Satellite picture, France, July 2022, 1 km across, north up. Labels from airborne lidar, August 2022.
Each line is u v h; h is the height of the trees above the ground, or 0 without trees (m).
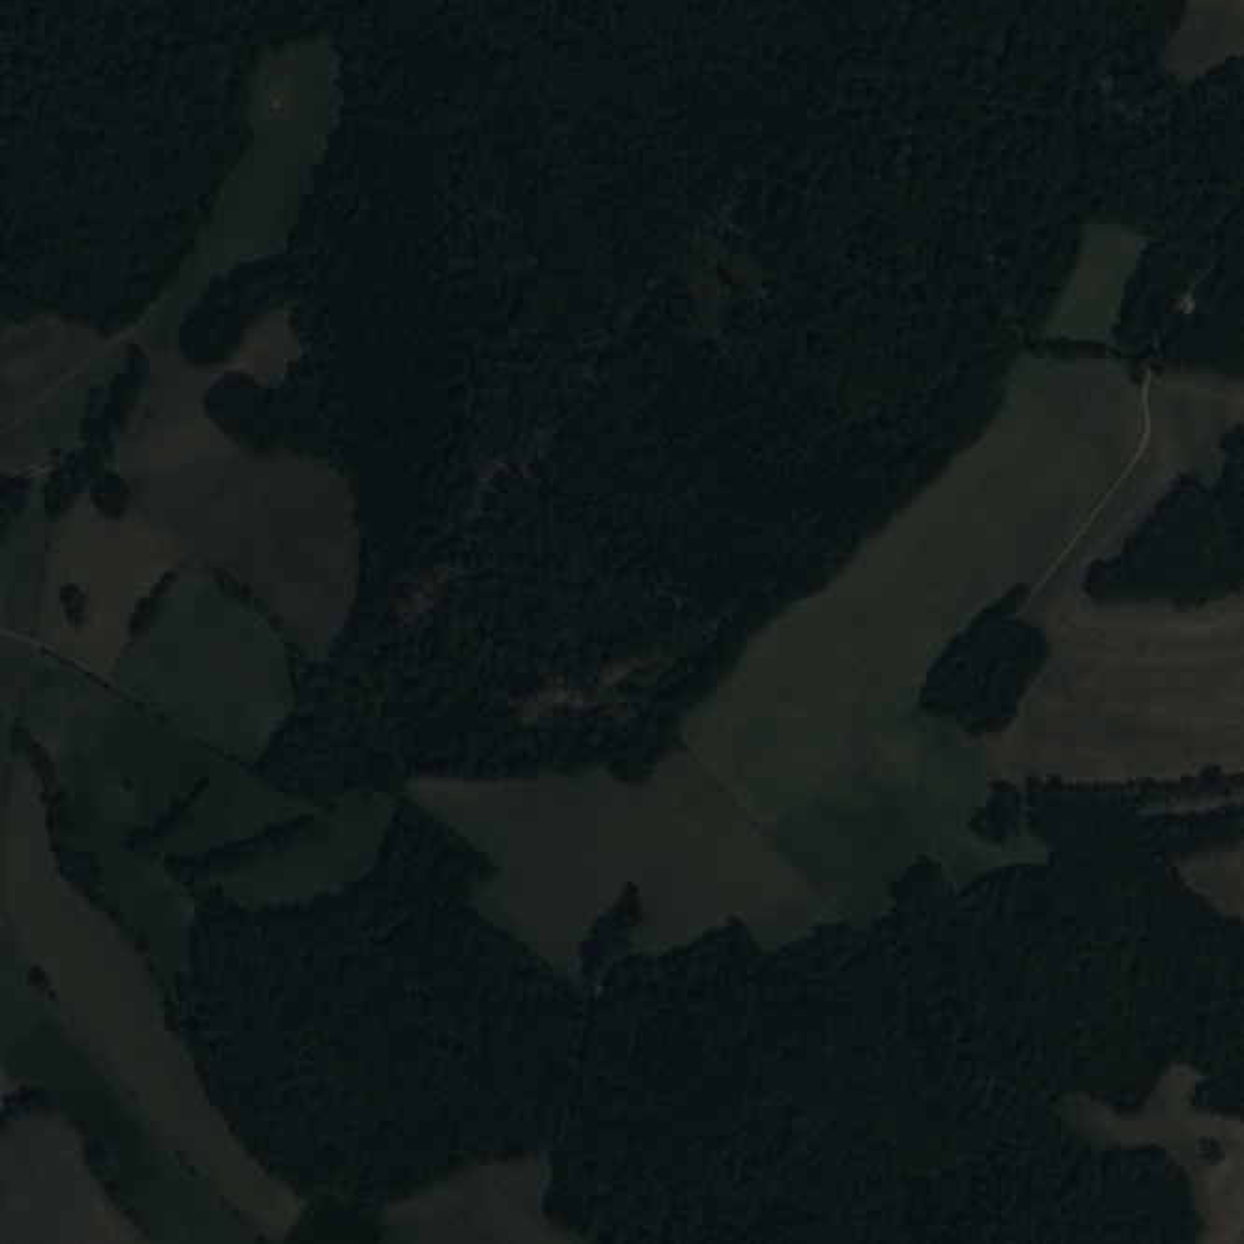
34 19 20
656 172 22
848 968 21
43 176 17
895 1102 16
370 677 16
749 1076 18
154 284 20
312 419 22
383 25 17
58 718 0
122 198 15
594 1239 17
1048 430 0
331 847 0
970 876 0
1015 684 18
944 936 19
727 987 18
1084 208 18
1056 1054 16
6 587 0
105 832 0
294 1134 19
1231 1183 0
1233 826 15
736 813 0
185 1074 0
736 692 0
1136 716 0
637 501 10
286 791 13
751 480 14
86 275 16
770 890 0
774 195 13
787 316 20
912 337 21
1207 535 17
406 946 21
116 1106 0
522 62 18
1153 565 16
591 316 21
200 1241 0
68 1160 0
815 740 0
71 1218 0
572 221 20
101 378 0
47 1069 0
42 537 0
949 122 17
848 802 0
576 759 19
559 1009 23
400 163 7
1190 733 0
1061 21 20
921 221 19
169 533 0
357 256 14
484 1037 19
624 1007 26
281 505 0
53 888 0
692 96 23
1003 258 19
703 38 24
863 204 17
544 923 0
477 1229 0
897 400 19
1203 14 0
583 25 19
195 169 14
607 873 0
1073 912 11
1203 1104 12
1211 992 15
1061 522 0
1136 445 0
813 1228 19
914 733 0
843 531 15
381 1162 22
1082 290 0
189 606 0
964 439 20
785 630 0
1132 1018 11
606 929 18
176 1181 0
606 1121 24
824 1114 18
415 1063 19
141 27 16
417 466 14
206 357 19
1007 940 12
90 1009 0
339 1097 19
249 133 17
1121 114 23
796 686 0
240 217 0
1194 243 17
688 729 0
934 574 0
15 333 0
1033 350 18
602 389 12
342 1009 15
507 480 16
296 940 21
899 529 0
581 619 19
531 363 19
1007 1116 18
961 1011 22
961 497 0
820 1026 18
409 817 10
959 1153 17
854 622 0
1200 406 0
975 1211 16
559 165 21
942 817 0
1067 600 0
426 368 12
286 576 0
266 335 0
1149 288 19
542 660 18
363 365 13
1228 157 21
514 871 0
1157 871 14
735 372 13
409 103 24
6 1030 0
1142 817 11
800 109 20
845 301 18
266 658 0
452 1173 13
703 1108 19
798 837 0
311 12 20
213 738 0
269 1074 18
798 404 11
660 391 13
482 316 9
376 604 16
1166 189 20
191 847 0
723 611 12
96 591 0
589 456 12
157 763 0
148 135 20
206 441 0
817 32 20
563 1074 20
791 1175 19
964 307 19
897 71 17
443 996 20
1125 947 13
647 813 0
